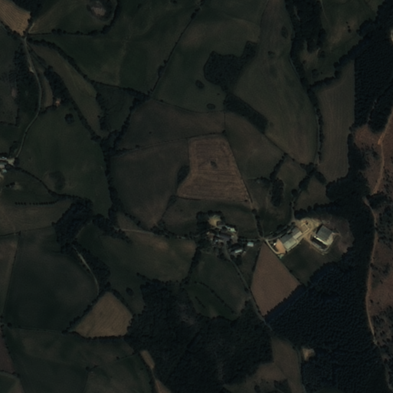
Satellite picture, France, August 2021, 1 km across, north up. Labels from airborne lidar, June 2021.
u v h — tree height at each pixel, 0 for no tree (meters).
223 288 0
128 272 0
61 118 0
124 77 0
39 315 0
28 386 0
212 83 0
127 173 0
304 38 17
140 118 0
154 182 0
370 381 28
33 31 0
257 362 7
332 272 31
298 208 0
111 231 15
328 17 0
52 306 0
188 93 0
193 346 20
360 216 17
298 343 26
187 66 0
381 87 15
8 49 0
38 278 0
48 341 0
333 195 21
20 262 0
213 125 0
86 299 0
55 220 0
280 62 0
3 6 0
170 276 0
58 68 0
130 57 0
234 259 12
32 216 0
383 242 22
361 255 17
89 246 0
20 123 10
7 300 0
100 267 8
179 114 0
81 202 7
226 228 8
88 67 0
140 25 0
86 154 0
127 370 0
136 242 0
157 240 0
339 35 0
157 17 0
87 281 0
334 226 0
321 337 38
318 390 7
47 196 0
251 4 0
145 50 0
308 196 0
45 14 0
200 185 0
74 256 9
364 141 39
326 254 0
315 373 21
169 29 0
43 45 12
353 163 15
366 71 16
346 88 0
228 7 0
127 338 16
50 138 0
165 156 0
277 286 0
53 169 0
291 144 0
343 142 0
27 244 0
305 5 21
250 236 0
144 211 0
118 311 0
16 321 0
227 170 0
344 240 0
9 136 0
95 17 0
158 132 0
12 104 0
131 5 0
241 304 0
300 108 0
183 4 0
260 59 0
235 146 0
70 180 0
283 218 0
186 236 11
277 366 0
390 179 23
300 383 0
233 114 0
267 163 0
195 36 0
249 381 0
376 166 32
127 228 0
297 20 13
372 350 30
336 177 0
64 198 10
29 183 0
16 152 0
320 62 0
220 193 0
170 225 0
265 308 0
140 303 0
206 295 0
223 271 0
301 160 0
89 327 0
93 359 0
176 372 9
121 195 0
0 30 0
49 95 0
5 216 0
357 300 37
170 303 19
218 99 0
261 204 0
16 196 0
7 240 0
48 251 0
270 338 9
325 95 0
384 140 37
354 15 0
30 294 0
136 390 0
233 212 0
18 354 0
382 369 20
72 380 0
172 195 0
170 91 0
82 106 0
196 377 18
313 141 0
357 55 19
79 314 0
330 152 0
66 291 0
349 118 0
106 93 0
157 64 0
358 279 20
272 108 0
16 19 0
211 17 0
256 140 0
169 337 13
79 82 0
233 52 0
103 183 0
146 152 0
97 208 0
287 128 0
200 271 0
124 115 0
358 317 35
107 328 0
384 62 19
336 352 38
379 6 0
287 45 0
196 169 0
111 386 0
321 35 19
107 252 0
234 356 10
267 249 0
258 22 0
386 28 18
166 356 9
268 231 0
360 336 37
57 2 0
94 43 0
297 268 0
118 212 6
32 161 0
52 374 0
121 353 0
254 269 9
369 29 19
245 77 0
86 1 0
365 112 17
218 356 9
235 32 0
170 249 0
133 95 13
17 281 0
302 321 36
